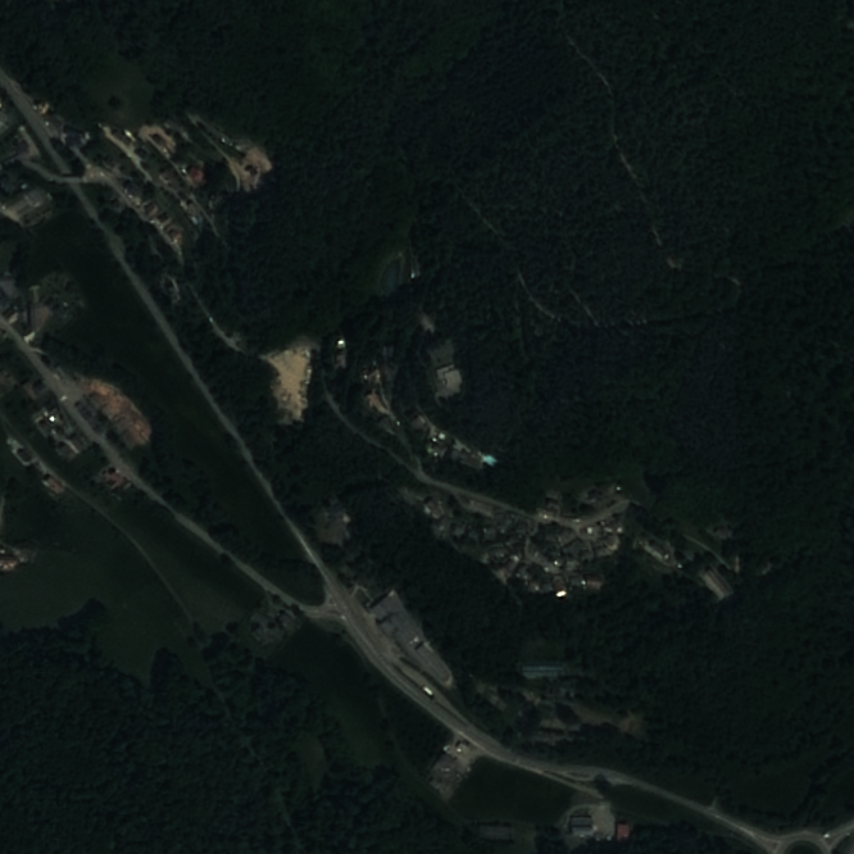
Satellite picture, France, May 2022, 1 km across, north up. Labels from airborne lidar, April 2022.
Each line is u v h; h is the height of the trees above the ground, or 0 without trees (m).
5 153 0
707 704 13
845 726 0
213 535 11
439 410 10
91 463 0
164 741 31
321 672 0
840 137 34
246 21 21
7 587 0
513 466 20
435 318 14
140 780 24
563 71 20
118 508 0
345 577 6
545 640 30
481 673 19
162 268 14
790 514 21
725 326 18
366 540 25
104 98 0
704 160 17
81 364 21
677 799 0
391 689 0
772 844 0
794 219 25
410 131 32
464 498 0
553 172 22
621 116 17
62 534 0
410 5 15
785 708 10
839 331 33
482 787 0
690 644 24
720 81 21
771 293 28
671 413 25
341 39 25
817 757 0
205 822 29
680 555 11
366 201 24
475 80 14
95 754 30
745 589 19
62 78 23
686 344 23
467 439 20
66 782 25
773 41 17
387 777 25
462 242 10
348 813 21
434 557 19
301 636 0
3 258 0
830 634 23
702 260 19
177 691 27
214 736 33
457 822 0
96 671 26
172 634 0
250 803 32
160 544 0
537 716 22
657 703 25
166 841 29
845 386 26
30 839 23
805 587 17
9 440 0
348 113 23
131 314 0
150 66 19
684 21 26
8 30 12
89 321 0
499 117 23
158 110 14
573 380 11
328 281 26
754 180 19
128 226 16
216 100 20
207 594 0
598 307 22
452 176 17
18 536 0
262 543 0
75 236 0
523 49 22
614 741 20
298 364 0
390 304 22
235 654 26
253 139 19
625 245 21
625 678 12
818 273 31
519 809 0
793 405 16
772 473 21
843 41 29
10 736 21
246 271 20
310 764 0
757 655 12
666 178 18
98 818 25
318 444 18
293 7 24
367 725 0
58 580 0
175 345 0
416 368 21
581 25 19
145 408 19
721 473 18
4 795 25
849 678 24
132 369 0
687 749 17
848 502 27
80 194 0
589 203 22
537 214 25
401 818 35
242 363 18
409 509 8
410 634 0
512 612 18
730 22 22
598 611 15
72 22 23
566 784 0
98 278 0
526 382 22
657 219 17
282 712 11
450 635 19
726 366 22
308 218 23
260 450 24
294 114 22
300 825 31
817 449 19
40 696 22
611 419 24
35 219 0
